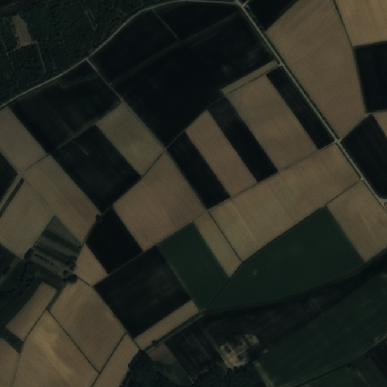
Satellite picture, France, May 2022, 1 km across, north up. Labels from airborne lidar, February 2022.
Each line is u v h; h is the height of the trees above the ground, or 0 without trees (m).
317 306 0
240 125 0
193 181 0
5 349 0
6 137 0
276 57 0
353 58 0
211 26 0
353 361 0
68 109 0
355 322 0
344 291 0
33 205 0
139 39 0
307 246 0
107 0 8
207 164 0
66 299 0
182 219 0
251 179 0
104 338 0
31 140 0
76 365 0
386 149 0
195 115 0
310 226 0
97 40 6
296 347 0
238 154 0
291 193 0
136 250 0
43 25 7
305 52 0
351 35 0
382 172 0
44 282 0
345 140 0
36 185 0
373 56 0
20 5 0
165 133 0
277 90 0
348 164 0
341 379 0
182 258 0
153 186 0
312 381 0
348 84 0
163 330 0
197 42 0
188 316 0
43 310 0
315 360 0
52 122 0
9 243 0
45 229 0
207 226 0
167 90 0
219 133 0
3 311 0
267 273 0
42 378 0
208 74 0
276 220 0
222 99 0
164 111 0
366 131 0
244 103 0
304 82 0
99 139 0
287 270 0
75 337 0
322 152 0
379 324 0
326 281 0
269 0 0
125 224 0
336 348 0
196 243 0
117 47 0
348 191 0
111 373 0
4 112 0
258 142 0
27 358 0
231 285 0
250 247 0
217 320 0
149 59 0
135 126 0
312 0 0
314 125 0
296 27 0
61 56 7
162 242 0
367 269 0
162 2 7
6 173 0
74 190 0
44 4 5
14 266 0
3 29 6
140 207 0
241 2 0
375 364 0
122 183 0
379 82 0
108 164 0
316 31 0
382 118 0
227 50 0
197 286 0
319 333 0
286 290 0
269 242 0
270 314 0
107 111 0
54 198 0
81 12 6
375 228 0
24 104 0
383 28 0
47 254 0
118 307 0
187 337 0
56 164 0
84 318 0
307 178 0
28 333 0
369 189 0
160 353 0
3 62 6
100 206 0
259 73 0
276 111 0
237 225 0
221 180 0
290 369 0
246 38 0
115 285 0
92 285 0
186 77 0
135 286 0
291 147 0
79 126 0
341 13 0
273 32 0
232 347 0
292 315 0
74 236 0
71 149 0
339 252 0
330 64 0
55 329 0
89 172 0
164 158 0
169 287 0
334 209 0
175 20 0
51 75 9
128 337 0
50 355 0
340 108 0
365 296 0
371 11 0
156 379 20
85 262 0
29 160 0
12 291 10
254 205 0
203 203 0
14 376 0
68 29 8
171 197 0
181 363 0
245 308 0
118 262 0
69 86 0
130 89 0
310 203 0
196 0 0
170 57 0
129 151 0
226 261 0
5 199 0
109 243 0
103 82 0
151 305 0
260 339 0
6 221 0
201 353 0
